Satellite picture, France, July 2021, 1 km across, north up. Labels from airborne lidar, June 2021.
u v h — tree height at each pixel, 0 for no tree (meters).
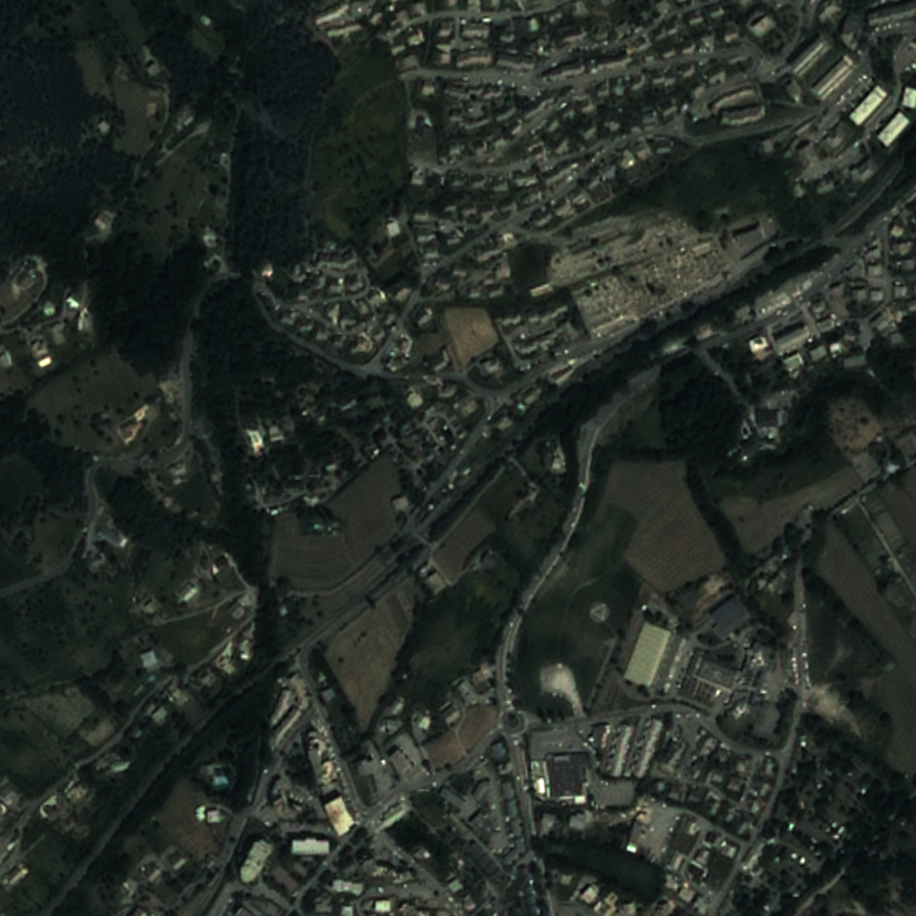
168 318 26
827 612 0
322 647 6
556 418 19
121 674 14
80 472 10
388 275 0
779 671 0
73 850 6
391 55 5
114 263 19
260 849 0
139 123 0
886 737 0
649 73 6
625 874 0
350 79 0
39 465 11
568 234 8
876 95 0
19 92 11
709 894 0
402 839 7
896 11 0
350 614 0
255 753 11
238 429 8
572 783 0
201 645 0
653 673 0
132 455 0
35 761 0
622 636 9
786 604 8
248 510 12
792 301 0
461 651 0
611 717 0
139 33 0
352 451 6
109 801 12
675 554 0
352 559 0
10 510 7
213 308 10
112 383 0
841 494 0
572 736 0
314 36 11
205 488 0
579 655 0
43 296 7
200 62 18
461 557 0
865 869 22
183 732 7
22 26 15
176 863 0
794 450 19
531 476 10
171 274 20
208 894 0
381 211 8
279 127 13
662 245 6
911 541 0
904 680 0
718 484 0
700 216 7
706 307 11
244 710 15
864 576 0
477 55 0
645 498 0
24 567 0
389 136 0
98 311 7
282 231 7
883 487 10
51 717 0
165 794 13
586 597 0
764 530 0
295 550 0
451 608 0
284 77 14
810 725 14
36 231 17
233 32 12
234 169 6
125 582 0
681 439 24
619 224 0
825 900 8
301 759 11
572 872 9
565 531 15
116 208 11
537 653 0
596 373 11
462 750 0
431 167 0
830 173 5
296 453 11
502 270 0
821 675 0
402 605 0
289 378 11
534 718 0
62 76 11
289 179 11
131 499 17
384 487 0
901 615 0
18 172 13
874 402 12
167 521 18
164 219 0
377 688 0
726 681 0
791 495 0
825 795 9
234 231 7
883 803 12
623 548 0
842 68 0
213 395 14
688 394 15
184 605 6
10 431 18
